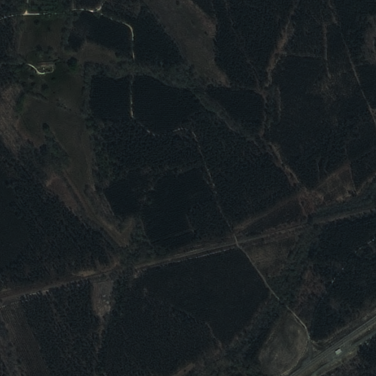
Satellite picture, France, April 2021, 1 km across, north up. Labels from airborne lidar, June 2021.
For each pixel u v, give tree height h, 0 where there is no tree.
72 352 22
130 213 11
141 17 11
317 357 0
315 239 19
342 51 9
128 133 20
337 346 0
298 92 8
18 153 22
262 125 20
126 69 18
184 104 14
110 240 16
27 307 18
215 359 25
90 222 16
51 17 10
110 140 22
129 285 18
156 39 11
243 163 14
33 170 21
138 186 10
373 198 12
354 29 17
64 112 0
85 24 8
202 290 12
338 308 14
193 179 12
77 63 18
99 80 14
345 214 18
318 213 8
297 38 16
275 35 18
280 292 14
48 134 21
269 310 11
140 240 15
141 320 18
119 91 12
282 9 17
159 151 20
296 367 0
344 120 10
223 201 17
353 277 25
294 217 5
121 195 12
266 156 17
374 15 16
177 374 13
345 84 9
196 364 18
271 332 16
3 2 14
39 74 0
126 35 9
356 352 0
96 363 22
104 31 12
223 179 19
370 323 0
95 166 12
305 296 6
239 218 17
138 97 11
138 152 20
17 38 14
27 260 17
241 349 8
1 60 19
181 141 21
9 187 18
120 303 20
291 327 0
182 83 20
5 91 20
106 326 12
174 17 0
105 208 12
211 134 19
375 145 12
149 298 9
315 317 14
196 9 0
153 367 21
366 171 14
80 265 18
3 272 17
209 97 15
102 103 13
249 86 19
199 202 11
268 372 0
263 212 15
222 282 10
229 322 9
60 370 23
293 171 16
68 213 23
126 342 17
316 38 17
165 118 13
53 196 22
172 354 18
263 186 19
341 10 14
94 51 0
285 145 9
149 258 19
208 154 20
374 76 9
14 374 12
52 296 22
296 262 7
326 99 8
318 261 23
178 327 17
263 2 20
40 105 0
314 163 19
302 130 10
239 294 9
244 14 20
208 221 19
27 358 8
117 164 8
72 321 22
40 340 18
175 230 10
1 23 18
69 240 20
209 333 17
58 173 19
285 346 0
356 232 18
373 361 21
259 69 16
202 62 0
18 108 19
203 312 11
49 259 20
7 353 11
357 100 9
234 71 21
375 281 22
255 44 20
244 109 13
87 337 23
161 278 11
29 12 15
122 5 17
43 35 0
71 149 0
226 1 15
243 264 8
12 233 5
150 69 23
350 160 13
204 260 8
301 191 14
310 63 11
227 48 18
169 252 6
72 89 0
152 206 14
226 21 20
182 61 13
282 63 9
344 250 20
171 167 21
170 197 12
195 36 0
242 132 15
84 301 24
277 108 18
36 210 20
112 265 16
